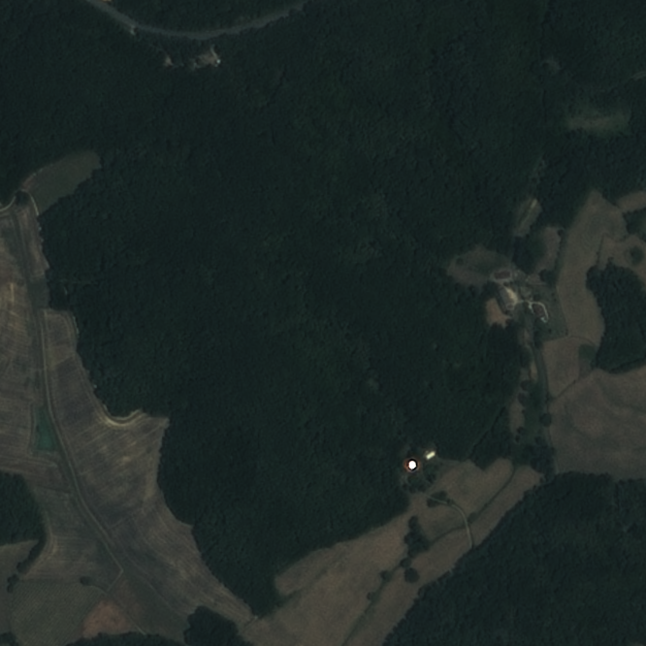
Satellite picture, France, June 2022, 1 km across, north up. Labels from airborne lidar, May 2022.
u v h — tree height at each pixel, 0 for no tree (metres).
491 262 0
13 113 21
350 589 0
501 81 14
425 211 19
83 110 22
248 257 18
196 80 28
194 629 15
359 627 0
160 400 19
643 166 24
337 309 21
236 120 22
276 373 15
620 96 13
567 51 12
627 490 18
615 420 0
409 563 11
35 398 0
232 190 26
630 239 0
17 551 0
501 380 8
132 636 22
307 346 17
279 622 0
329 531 17
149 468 0
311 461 20
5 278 0
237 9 15
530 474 0
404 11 20
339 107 10
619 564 16
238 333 22
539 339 8
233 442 13
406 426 25
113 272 30
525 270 32
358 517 16
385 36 18
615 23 19
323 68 11
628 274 21
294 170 17
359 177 13
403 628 20
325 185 25
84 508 0
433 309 26
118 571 0
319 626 0
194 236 15
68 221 16
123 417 8
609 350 15
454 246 24
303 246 16
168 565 0
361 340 17
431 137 11
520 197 17
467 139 21
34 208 0
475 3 19
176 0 20
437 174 26
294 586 0
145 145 22
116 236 21
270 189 20
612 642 10
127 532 0
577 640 19
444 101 14
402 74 23
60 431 0
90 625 0
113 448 0
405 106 24
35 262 0
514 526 23
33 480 0
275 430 16
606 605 14
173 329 25
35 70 21
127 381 16
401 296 20
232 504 20
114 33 16
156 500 0
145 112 24
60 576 0
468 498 0
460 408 16
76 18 21
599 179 17
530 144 16
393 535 0
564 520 21
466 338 22
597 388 0
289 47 14
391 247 31
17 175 18
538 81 12
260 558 11
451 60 26
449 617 18
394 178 17
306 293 20
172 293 17
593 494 22
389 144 19
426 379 20
